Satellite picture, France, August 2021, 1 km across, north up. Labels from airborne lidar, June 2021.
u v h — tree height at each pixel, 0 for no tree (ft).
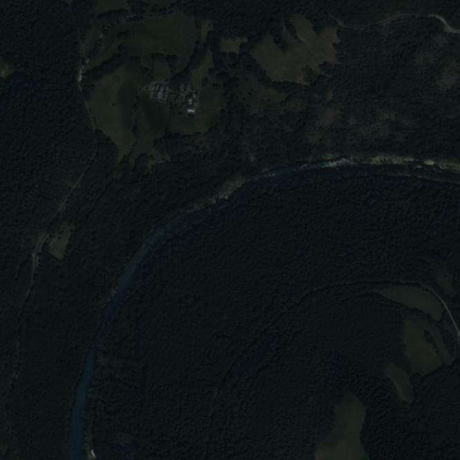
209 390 68
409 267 51
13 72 0
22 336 63
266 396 67
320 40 0
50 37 99
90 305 69
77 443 0
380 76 63
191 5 38
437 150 37
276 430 35
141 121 0
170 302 72
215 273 79
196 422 73
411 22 55
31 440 79
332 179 37
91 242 64
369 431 90
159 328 77
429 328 0
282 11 87
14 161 78
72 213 59
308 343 52
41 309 78
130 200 81
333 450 0
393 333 59
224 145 39
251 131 35
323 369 35
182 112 23
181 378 81
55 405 70
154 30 0
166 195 86
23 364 60
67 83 59
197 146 31
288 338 49
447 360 0
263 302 81
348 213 74
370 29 34
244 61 73
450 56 38
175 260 76
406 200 19
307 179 75
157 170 58
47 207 30
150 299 49
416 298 0
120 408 75
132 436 96
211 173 87
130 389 72
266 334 58
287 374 58
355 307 65
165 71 0
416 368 0
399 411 75
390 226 42
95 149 50
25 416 79
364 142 39
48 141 40
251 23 65
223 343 91
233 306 86
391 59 26
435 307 0
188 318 89
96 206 65
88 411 79
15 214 47
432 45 20
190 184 95
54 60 99
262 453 51
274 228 73
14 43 67
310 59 0
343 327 65
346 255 56
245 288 81
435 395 73
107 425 78
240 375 64
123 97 0
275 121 20
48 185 40
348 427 0
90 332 58
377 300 54
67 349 72
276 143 71
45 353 52
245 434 22
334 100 31
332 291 54
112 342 64
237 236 76
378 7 54
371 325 61
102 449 71
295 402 59
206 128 0
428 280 40
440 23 60
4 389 55
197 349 86
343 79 46
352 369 81
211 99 0
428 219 32
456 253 42
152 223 24
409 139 43
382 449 100
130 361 51
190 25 0
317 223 72
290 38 0
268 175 0
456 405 62
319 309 53
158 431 55
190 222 63
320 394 49
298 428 35
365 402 87
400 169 47
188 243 84
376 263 47
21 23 65
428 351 0
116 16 70
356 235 68
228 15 47
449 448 71
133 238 71
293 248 73
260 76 70
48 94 90
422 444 97
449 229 58
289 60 0
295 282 58
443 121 25
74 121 41
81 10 53
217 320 62
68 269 78
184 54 0
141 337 67
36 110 92
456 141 60
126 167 57
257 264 79
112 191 84
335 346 64
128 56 62
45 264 51
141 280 60
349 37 41
